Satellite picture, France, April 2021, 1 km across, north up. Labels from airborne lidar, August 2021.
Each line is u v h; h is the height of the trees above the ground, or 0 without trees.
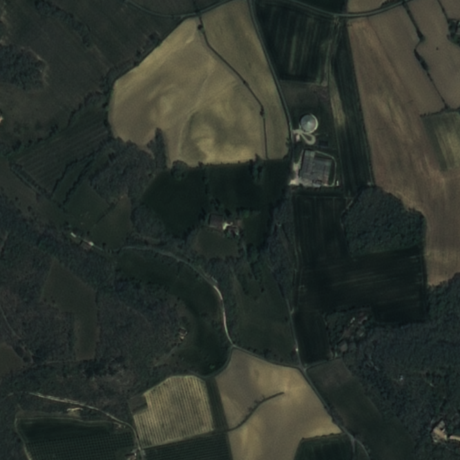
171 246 18
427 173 0
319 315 0
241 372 0
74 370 10
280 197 0
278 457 0
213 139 0
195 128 0
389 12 0
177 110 0
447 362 11
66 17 19
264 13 0
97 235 0
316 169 0
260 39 0
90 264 18
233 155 0
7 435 14
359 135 0
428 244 0
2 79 16
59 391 8
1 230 12
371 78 0
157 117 0
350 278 0
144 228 27
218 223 0
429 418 15
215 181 0
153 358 15
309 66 0
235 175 0
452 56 0
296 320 0
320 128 0
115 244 0
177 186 0
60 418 0
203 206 0
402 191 0
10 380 8
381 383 9
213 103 0
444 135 0
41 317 11
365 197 20
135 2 0
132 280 8
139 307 11
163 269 0
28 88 16
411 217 6
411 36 0
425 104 0
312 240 0
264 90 0
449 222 0
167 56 0
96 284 11
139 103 0
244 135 0
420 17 0
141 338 16
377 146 0
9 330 13
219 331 10
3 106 0
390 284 0
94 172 0
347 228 10
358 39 0
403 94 0
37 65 12
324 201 0
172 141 0
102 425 0
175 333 16
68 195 8
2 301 7
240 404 0
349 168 0
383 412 10
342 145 0
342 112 0
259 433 0
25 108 0
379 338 14
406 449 0
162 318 10
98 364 10
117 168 14
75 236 10
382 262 0
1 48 9
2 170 0
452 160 0
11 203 9
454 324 13
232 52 0
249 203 0
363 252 7
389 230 11
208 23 0
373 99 0
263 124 0
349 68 0
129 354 12
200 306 0
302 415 0
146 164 15
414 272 0
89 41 19
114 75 17
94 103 22
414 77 0
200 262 17
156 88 0
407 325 15
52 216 0
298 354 13
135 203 19
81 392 11
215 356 0
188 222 0
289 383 0
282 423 0
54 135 12
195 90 0
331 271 0
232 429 0
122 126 0
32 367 7
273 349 0
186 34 0
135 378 9
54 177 6
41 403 13
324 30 0
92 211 0
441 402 16
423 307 0
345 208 0
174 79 0
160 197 0
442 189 0
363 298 0
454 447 8
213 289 0
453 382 16
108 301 13
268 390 0
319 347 0
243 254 16
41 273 10
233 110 0
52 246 14
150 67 0
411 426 21
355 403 0
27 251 6
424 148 0
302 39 0
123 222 0
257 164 9
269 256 15
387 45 0
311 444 0
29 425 0
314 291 0
